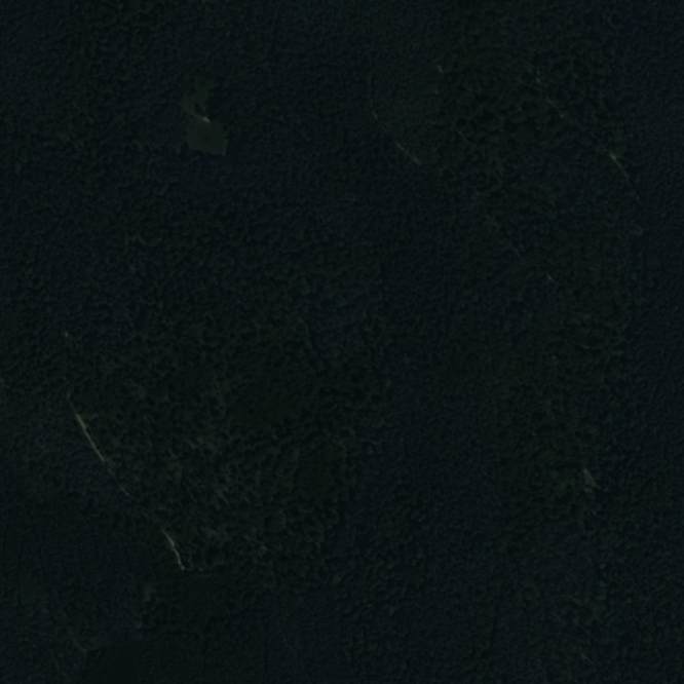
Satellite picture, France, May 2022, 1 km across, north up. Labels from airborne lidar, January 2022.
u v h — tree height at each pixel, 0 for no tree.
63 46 22
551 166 30
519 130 29
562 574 22
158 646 19
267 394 12
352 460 40
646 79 20
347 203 29
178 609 7
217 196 29
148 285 28
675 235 25
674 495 20
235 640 21
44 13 23
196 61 32
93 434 12
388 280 25
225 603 6
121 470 18
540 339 26
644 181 28
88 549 17
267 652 23
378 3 19
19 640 18
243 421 7
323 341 37
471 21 21
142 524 25
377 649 26
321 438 28
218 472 23
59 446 20
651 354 28
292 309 33
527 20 23
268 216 30
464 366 19
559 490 26
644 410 20
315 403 12
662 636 27
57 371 24
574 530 30
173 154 25
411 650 28
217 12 32
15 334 19
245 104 24
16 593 16
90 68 17
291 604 22
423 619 22
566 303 25
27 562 15
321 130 26
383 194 33
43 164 24
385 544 26
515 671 30
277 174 29
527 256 23
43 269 27
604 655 28
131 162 25
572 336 24
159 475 22
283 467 8
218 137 0
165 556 16
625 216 33
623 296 32
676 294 27
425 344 20
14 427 14
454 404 22
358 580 26
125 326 11
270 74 31
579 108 28
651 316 30
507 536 17
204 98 0
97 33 21
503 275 30
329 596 20
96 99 24
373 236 31
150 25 33
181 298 25
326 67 24
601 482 35
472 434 17
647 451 29
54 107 18
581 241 24
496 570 18
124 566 16
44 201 22
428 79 15
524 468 23
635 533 33
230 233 28
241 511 19
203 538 27
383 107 17
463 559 31
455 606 7
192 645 21
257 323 35
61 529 18
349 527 40
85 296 12
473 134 28
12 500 17
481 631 20
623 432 34
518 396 21
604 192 31
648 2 38
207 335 10
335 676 22
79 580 17
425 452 27
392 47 16
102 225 14
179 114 28
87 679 19
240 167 28
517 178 19
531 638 28
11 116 18
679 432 24
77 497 27
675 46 25
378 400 15
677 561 19
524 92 37
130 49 30
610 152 29
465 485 21
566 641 28
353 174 27
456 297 28
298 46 25
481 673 20
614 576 36
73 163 21
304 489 8
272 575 11
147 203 21
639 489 27
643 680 29
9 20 33
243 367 7
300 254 34
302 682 26
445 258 28
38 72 16
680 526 21
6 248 26
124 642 16
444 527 20
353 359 8
